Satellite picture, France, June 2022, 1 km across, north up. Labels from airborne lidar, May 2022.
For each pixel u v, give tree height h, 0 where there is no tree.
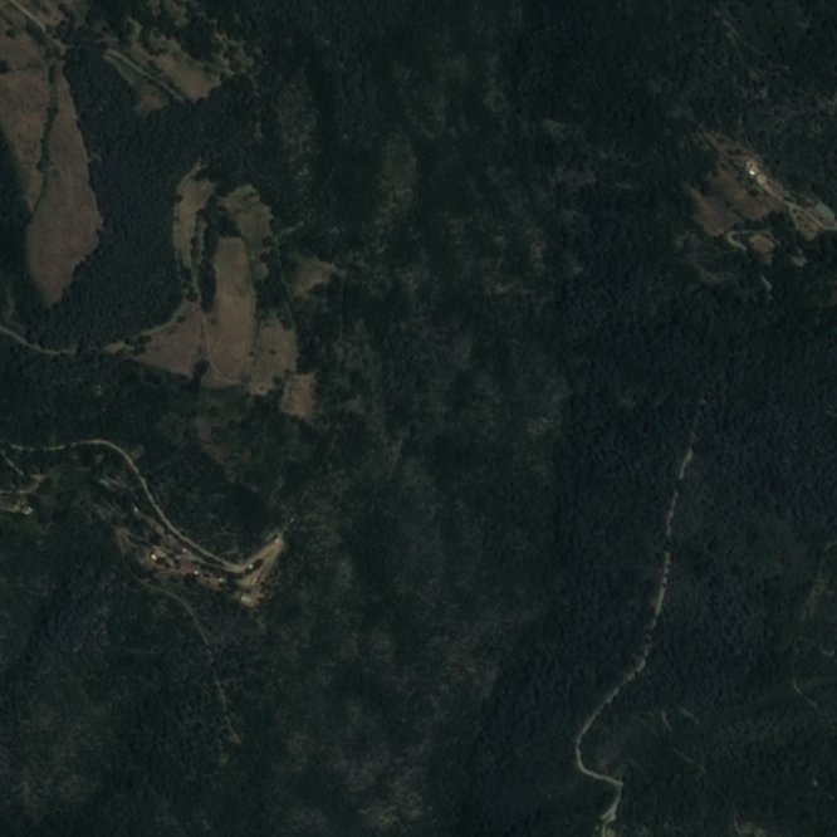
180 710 14
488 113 11
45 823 10
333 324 7
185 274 11
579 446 12
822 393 14
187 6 6
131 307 15
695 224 7
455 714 8
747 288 14
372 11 12
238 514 7
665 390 8
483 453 13
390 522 6
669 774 7
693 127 7
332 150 7
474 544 6
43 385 20
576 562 12
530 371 9
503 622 9
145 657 11
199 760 8
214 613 7
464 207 11
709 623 7
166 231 12
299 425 8
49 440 7
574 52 13
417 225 10
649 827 11
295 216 11
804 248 10
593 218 15
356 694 7
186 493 6
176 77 0
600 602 8
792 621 9
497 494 14
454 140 7
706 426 13
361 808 8
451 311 7
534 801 9
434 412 7
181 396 7
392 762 7
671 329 21
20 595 8
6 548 9
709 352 12
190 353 0
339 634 6
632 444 16
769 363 19
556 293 7
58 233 0
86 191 0
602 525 8
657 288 12
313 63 11
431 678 8
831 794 8
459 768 11
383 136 8
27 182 0
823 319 18
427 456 8
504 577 9
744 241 6
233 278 0
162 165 19
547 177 11
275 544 0
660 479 18
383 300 6
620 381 8
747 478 13
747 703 12
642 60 16
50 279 0
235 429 9
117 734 7
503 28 10
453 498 11
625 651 9
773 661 10
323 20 10
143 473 9
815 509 13
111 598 13
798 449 12
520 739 11
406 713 10
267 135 10
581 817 8
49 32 7
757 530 6
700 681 7
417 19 8
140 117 6
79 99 14
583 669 7
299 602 5
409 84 6
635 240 11
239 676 11
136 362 8
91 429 11
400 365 9
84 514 6
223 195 8
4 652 7
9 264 7
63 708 7
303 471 7
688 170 9
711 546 10
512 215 6
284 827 5
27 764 7
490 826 20
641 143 8
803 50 13
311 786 12
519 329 8
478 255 8
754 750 14
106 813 9
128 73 0
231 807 16
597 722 6
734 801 7
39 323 16
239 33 11
